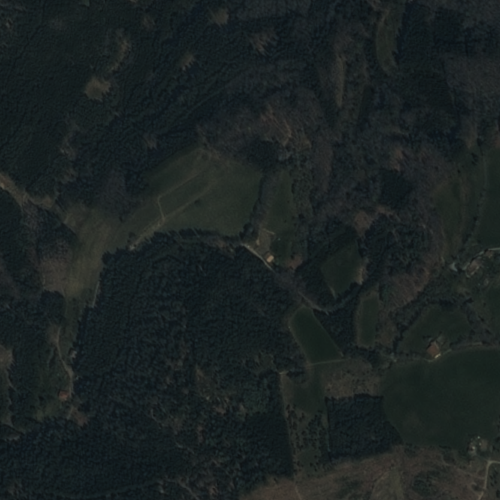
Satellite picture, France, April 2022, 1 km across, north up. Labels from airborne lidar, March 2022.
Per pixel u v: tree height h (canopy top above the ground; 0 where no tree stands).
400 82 11
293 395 0
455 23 18
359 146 28
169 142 28
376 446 18
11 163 21
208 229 0
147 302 21
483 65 26
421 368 0
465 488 0
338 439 15
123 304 22
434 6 24
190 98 28
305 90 30
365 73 21
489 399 0
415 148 23
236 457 23
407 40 27
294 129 31
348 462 30
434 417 0
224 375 25
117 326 27
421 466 0
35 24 21
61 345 0
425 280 32
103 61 12
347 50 31
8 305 16
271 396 22
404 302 25
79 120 29
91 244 0
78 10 18
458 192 0
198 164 0
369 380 0
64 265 26
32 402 25
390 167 26
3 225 21
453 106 9
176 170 0
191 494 15
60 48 16
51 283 0
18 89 19
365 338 0
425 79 9
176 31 28
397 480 0
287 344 15
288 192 0
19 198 0
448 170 35
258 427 16
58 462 26
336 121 27
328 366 0
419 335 0
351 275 0
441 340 0
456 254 0
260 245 0
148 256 24
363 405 21
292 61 27
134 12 23
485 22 22
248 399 30
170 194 0
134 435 26
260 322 27
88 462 18
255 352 20
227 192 0
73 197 27
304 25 25
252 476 24
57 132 24
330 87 25
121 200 35
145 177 38
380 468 0
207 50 32
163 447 10
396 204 23
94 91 0
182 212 0
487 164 0
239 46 31
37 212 28
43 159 20
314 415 0
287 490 0
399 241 25
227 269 22
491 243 0
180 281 28
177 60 34
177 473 8
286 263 0
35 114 23
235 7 27
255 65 30
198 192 0
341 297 0
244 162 17
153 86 24
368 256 27
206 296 15
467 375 0
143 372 24
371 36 27
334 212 31
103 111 30
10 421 0
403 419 0
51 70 19
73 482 17
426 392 0
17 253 22
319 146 28
